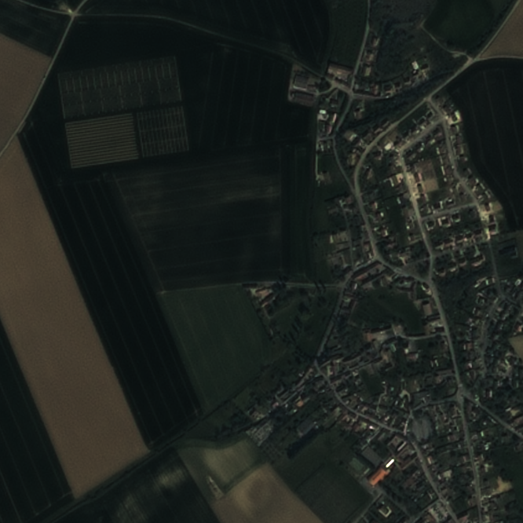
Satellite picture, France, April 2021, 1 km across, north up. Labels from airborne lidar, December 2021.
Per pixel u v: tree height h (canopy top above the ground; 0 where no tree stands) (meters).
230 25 0
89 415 0
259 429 0
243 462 0
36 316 0
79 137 0
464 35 0
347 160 7
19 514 0
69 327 0
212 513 0
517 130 0
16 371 0
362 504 0
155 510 0
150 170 0
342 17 0
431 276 0
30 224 0
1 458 0
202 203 0
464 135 0
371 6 8
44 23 0
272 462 8
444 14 0
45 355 0
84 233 0
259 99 0
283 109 0
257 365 0
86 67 0
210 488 0
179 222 0
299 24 0
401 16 0
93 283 0
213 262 0
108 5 0
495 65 0
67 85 0
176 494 0
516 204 0
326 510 0
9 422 0
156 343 0
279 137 0
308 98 0
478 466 0
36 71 0
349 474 0
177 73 0
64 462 0
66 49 0
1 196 0
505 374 0
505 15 6
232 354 0
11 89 0
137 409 0
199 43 0
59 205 0
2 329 0
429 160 0
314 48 0
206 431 0
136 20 0
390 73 9
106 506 0
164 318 0
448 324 6
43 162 0
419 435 0
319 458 0
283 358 0
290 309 0
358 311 0
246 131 0
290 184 0
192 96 0
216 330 0
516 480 0
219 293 0
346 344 14
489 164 0
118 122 0
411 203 0
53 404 0
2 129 0
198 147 0
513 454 0
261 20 0
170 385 0
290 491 0
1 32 0
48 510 0
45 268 0
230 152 0
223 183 0
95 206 0
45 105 0
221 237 0
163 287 0
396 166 0
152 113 0
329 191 0
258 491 0
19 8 0
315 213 0
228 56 0
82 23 0
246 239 0
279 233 0
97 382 0
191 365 0
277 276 0
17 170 0
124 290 0
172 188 0
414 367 11
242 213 0
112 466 0
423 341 0
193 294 0
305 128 0
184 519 0
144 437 0
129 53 0
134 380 0
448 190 0
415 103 7
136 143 0
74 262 0
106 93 0
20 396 0
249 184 0
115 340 0
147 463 0
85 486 0
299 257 0
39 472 0
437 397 14
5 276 0
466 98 0
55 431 0
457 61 9
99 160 0
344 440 0
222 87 0
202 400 0
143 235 0
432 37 0
